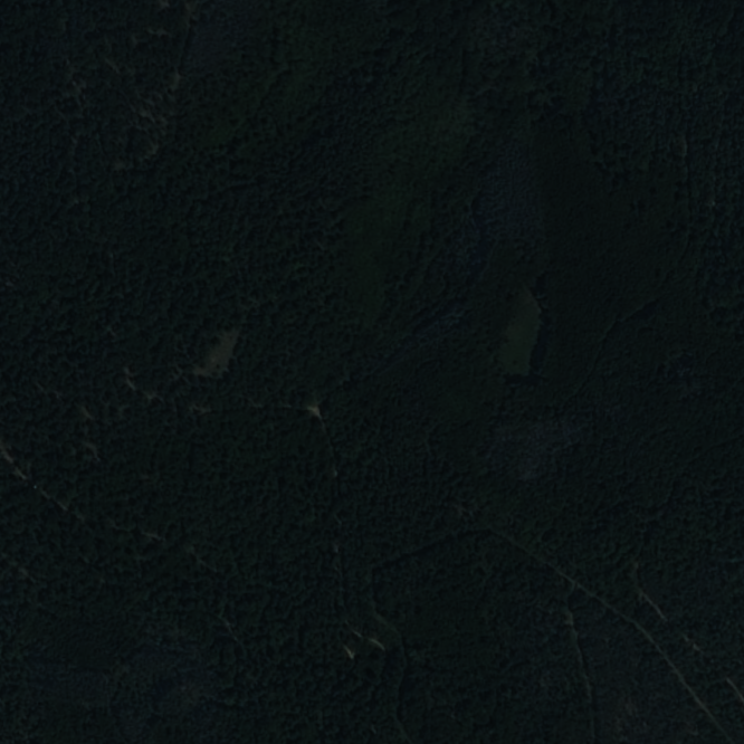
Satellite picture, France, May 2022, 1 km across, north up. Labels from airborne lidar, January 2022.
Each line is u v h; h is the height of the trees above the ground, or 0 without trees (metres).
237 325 12
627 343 16
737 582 20
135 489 15
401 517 20
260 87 17
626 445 18
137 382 15
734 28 22
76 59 16
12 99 22
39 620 27
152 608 27
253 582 18
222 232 13
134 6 16
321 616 26
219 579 25
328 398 16
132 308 20
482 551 14
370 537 22
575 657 8
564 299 20
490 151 27
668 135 19
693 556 11
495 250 21
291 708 19
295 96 25
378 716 20
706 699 21
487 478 19
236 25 23
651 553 21
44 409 22
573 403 21
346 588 20
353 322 16
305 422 11
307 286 15
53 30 22
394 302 28
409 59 27
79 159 18
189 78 9
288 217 14
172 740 16
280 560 24
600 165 10
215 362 0
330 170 21
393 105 24
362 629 19
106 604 28
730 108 16
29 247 22
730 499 19
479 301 18
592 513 8
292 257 15
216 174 20
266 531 14
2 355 12
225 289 17
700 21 21
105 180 20
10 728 6
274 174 20
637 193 16
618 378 19
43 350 26
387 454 19
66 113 20
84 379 17
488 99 31
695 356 23
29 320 26
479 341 16
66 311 12
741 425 26
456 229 27
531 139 20
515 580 16
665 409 19
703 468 19
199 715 25
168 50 15
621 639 19
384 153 28
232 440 18
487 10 29
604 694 22
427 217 21
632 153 23
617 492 17
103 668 16
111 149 19
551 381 20
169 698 24
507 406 23
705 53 20
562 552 15
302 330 18
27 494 28
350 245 10
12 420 21
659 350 23
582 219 18
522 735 11
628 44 19
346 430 23
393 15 28
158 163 20
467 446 18
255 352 13
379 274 17
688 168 16
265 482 15
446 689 17
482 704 18
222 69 8
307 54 25
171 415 17
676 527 23
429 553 18
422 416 15
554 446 20
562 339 19
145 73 15
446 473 12
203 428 20
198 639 26
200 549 21
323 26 20
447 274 21
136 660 20
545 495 23
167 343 17
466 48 25
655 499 20
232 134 12
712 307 8
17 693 25
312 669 28
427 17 22
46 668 29
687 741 14
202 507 24
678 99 12
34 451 22
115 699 9
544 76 19
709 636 19
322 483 14
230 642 28
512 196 26
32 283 23
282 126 26
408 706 19
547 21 21
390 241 16
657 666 16
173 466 12
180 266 22
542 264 22
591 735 9
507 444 28
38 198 21
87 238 21
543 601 16
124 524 15
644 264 22
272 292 16
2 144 19
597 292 15
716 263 25
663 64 12
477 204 30
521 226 29
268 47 22
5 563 25
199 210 13
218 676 26
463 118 22
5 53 27
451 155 19
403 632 17
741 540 21
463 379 18
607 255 17
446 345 16
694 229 18
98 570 22
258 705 15
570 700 18
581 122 13
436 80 23
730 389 21
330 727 20
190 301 18
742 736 9
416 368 11
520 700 17
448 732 20
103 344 18
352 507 21
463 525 16
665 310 20
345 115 21
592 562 15
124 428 19
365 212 15
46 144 18
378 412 14
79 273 21
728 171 15
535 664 17
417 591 14
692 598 10
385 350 23
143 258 19
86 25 17
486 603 17
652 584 12
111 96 20
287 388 10
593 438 22
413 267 27
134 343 20
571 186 15
